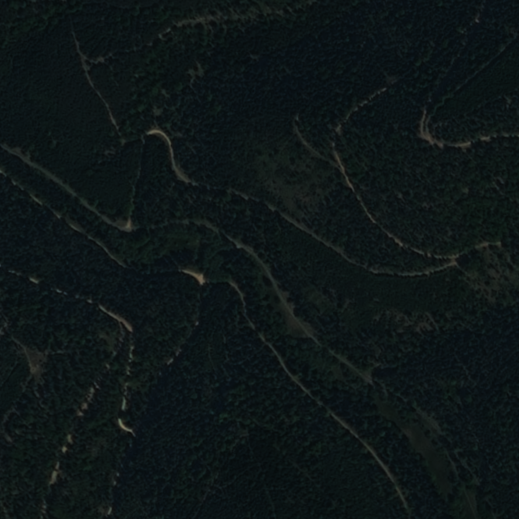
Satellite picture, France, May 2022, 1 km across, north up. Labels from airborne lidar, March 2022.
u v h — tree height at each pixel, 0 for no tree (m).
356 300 7
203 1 10
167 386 37
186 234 26
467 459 10
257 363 33
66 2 7
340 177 22
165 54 29
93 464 9
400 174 24
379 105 11
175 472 25
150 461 9
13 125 18
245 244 20
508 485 10
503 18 26
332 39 31
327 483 9
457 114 13
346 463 8
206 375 29
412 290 10
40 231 43
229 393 33
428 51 31
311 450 20
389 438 40
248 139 6
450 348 30
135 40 15
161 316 8
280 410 31
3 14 10
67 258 9
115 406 7
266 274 0
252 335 23
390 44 35
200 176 9
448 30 24
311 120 8
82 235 16
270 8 36
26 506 35
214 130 20
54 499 37
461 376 30
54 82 17
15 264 36
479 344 8
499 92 14
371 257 9
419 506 36
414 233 10
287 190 0
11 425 8
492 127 23
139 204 7
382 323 7
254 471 13
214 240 27
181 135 33
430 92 12
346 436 9
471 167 26
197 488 19
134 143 18
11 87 16
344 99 17
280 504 8
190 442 32
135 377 6
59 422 22
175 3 14
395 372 22
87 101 13
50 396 32
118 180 13
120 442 13
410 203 27
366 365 19
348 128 28
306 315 35
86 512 10
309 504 10
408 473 37
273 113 18
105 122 15
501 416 30
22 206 35
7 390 7
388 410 0
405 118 13
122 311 37
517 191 20
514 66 12
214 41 13
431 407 27
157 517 34
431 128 11
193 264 21
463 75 16
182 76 20
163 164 14
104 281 39
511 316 32
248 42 30
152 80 23
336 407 35
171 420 32
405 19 20
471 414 23
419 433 0
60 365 7
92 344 31
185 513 8
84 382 8
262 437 11
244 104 25
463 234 20
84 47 15
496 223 20
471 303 8
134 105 20
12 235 40
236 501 9
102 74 13
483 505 9
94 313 38
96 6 20
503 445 34
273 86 25
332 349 17
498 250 21
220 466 8
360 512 8
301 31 29
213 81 28
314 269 6
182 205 33
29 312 36
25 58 17
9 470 30
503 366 31
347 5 30
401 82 13
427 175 29
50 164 13
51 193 25
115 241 22
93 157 9
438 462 0
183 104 30
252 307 13
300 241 7
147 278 30
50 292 36
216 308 18
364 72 29
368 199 25
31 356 0
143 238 22
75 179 17
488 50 13
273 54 33
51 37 19
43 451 34
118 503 31
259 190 8
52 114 15
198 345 13
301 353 27
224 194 26
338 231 25
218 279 23
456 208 19
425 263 26
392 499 12
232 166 16
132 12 17
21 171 24
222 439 31
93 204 18
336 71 29
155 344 32
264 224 17
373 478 37
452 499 18
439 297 9
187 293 18
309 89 33
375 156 26
